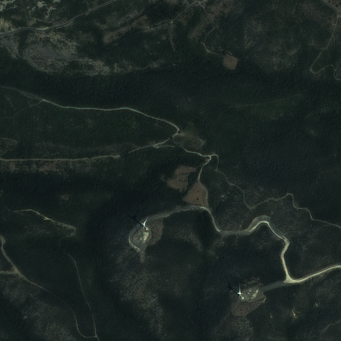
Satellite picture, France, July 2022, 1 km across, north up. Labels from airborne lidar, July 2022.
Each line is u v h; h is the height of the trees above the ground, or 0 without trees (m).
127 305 7
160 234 0
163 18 6
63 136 6
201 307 8
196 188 0
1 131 6
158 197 6
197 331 12
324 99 8
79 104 7
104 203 7
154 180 10
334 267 0
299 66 6
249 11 5
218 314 6
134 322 11
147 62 6
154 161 7
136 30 9
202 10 9
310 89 10
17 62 7
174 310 6
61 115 6
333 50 6
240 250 8
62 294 6
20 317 7
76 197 6
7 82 7
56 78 7
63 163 8
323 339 0
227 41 6
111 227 6
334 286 0
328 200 6
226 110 5
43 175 12
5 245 7
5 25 0
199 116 6
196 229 6
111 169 6
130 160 8
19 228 6
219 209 7
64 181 15
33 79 7
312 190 7
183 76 7
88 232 12
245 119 6
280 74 8
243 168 5
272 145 6
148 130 6
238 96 7
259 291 0
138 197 16
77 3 5
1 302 9
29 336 8
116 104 10
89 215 10
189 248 7
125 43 6
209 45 5
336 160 5
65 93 9
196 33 0
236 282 5
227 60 0
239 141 6
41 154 7
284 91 7
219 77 8
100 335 6
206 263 7
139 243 0
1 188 7
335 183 6
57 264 5
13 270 0
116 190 16
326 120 8
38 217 6
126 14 6
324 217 6
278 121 9
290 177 7
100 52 6
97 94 5
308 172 6
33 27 6
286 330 6
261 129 6
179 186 0
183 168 0
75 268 6
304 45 7
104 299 8
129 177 8
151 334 8
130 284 6
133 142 5
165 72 9
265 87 6
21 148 8
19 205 7
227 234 0
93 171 6
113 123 6
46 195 15
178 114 7
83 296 7
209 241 14
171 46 11
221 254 6
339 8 0
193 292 6
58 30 6
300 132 10
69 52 0
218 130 6
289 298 6
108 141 5
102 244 7
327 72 7
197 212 8
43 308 0
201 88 7
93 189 12
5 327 6
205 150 6
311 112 6
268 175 7
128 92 10
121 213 9
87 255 12
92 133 6
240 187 6
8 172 7
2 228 7
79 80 13
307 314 5
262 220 0
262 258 6
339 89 8
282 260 0
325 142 6
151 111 5
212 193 7
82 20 6
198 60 13
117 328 6
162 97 6
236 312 0
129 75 10
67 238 7
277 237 0
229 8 0
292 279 0
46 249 6
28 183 18
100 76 10
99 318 6
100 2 6
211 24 8
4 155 6
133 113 5
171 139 7
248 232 0
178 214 5
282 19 7
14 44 0
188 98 8
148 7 9
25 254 5
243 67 10
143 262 0
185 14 0
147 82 6
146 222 0
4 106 5
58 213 6
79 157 8
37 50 0
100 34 7
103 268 10
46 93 8
